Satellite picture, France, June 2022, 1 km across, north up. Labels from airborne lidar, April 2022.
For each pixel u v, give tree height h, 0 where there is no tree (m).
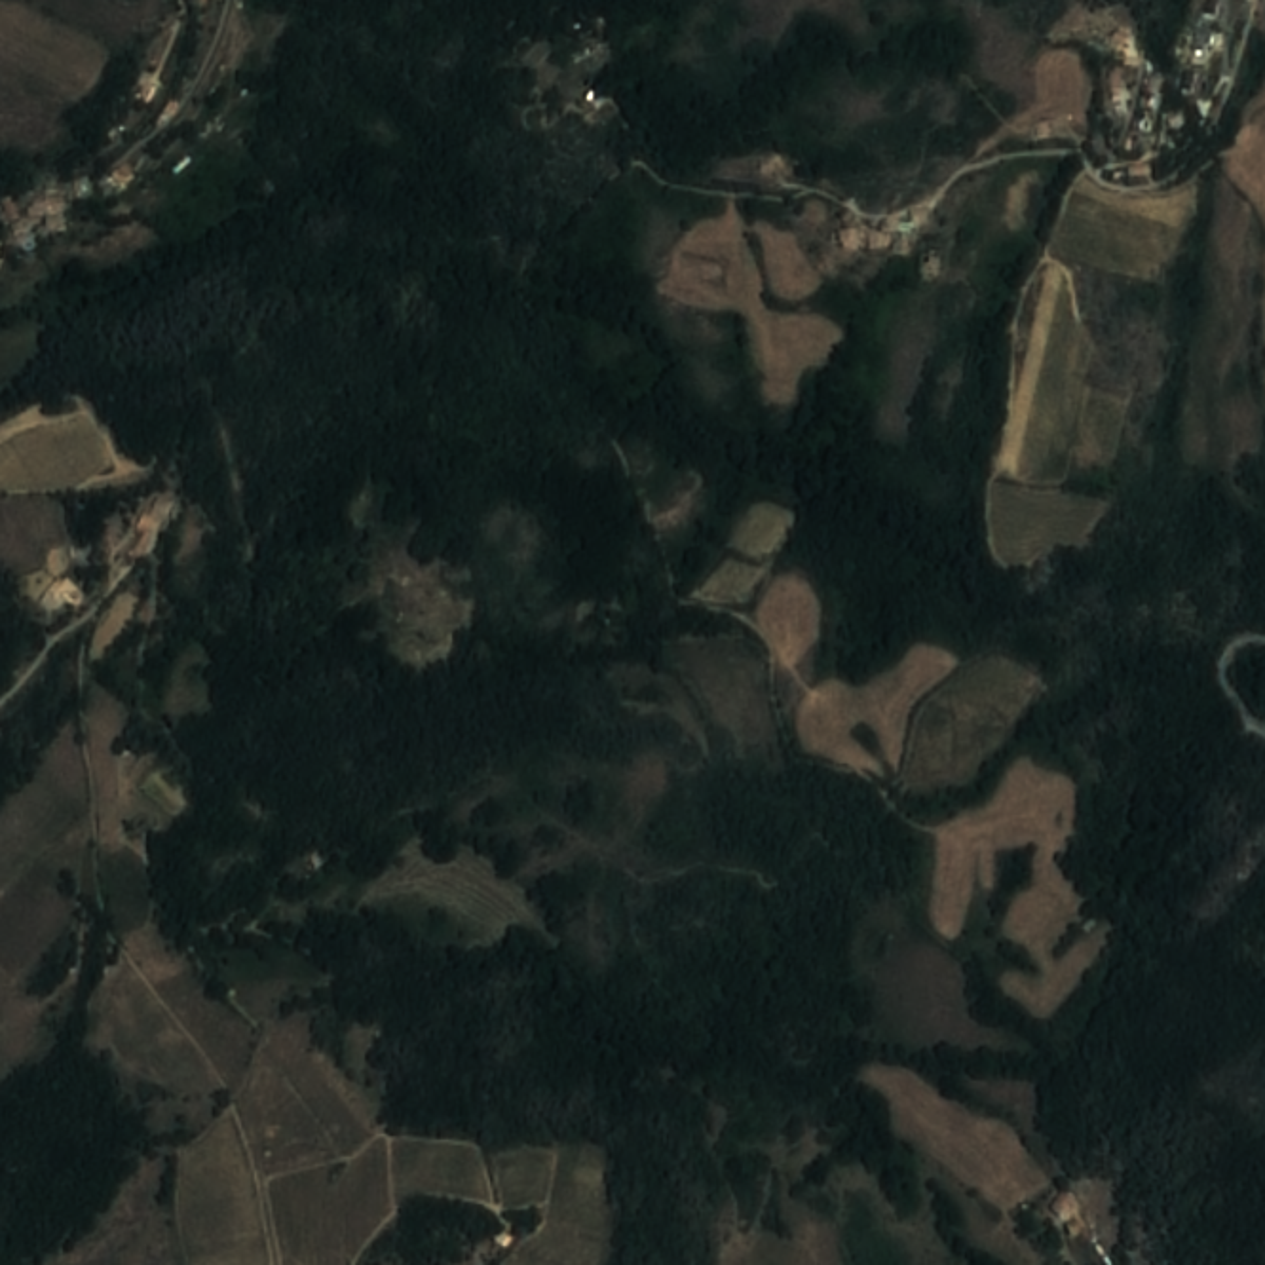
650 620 13
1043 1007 0
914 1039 0
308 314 14
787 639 0
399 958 11
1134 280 0
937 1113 0
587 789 10
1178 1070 10
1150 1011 9
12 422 0
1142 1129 15
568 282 13
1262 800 7
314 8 9
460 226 7
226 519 13
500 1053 16
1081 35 0
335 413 13
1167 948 12
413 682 10
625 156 13
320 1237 0
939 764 0
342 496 12
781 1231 10
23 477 0
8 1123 7
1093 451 0
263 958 8
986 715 0
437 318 16
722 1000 9
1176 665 14
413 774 8
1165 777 15
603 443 8
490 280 7
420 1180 0
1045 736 9
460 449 9
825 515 14
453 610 0
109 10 0
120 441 11
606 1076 6
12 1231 8
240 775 13
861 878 10
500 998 14
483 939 0
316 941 15
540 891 12
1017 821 0
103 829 0
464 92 7
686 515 0
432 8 9
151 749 8
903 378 0
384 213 13
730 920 11
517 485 8
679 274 0
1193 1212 11
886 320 0
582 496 7
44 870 0
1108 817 9
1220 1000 6
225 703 7
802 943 10
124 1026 0
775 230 0
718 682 0
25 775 10
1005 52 0
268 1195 0
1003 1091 0
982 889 0
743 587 0
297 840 10
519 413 6
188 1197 0
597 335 0
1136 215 0
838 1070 11
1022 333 0
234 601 16
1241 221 0
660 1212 7
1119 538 6
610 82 12
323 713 15
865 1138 22
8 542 0
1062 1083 13
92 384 16
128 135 10
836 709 0
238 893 10
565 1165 0
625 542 8
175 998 0
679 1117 10
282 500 14
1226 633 7
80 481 0
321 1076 0
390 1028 11
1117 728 15
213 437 6
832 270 0
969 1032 0
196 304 19
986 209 0
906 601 11
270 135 8
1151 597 8
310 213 15
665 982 7
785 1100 7
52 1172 7
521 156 9
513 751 10
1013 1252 0
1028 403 0
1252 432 0
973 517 14
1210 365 0
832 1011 9
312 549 21
